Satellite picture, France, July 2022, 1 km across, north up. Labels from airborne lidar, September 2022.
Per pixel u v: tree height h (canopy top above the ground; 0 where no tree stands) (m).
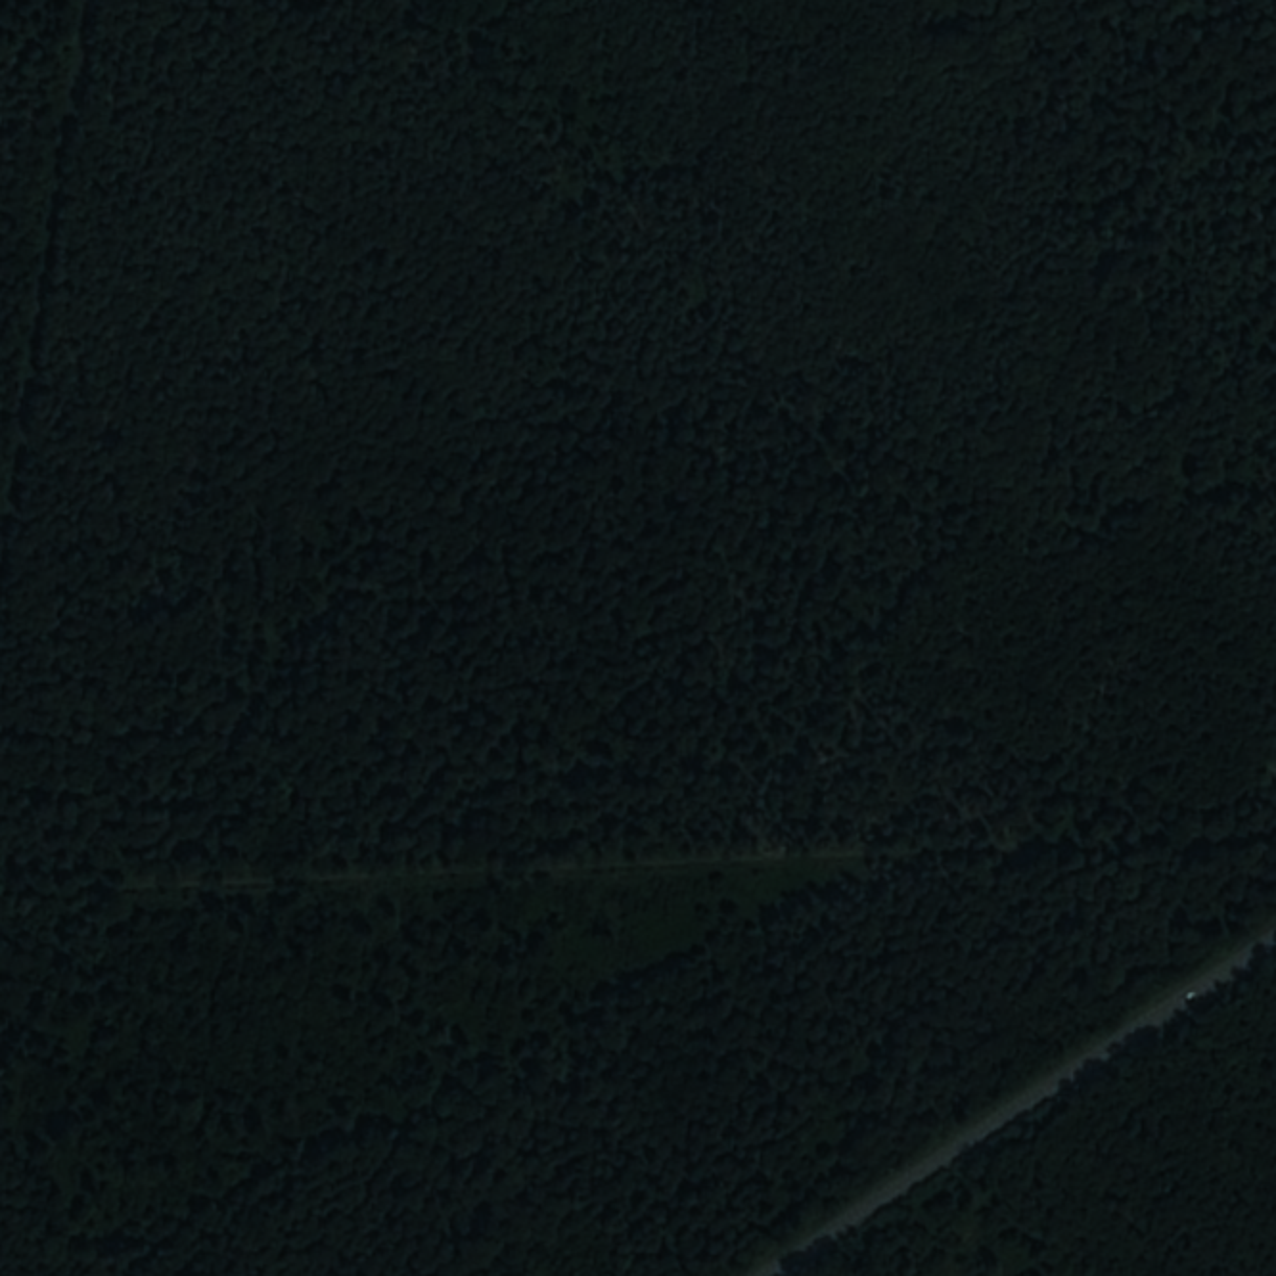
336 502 28
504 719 29
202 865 27
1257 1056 23
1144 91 29
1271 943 0
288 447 29
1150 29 27
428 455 31
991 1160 24
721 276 21
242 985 10
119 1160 11
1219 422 26
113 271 23
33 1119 6
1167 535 18
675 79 18
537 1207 26
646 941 0
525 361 23
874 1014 30
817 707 8
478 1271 26
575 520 30
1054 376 30
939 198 16
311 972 11
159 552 26
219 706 29
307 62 26
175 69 24
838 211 22
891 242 18
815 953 28
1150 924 28
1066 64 30
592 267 26
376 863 30
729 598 32
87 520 30
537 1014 14
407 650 29
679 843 29
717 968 14
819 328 22
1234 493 22
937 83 25
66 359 24
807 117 21
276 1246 27
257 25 24
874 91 22
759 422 29
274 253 24
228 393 26
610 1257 17
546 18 18
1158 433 29
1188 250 19
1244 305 22
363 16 29
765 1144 25
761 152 20
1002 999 28
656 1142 29
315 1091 11
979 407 27
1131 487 30
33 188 24
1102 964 26
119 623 31
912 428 25
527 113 20
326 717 26
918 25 27
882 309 24
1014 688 23
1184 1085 22
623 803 31
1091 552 26
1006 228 20
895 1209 9
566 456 24
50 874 34
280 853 17
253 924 30
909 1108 29
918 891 27
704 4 18
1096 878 26
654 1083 23
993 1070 27
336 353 25
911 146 16
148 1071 17
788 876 0
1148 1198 22
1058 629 19
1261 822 28
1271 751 23
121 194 24
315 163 21
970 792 28
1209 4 28
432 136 26
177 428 27
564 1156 27
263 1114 11
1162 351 30
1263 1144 22
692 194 21
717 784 27
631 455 29
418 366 26
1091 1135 23
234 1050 17
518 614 28
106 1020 15
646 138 16
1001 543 19
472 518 28
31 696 29
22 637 26
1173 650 22
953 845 18
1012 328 19
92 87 23
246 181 24
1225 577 20
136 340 24
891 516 25
